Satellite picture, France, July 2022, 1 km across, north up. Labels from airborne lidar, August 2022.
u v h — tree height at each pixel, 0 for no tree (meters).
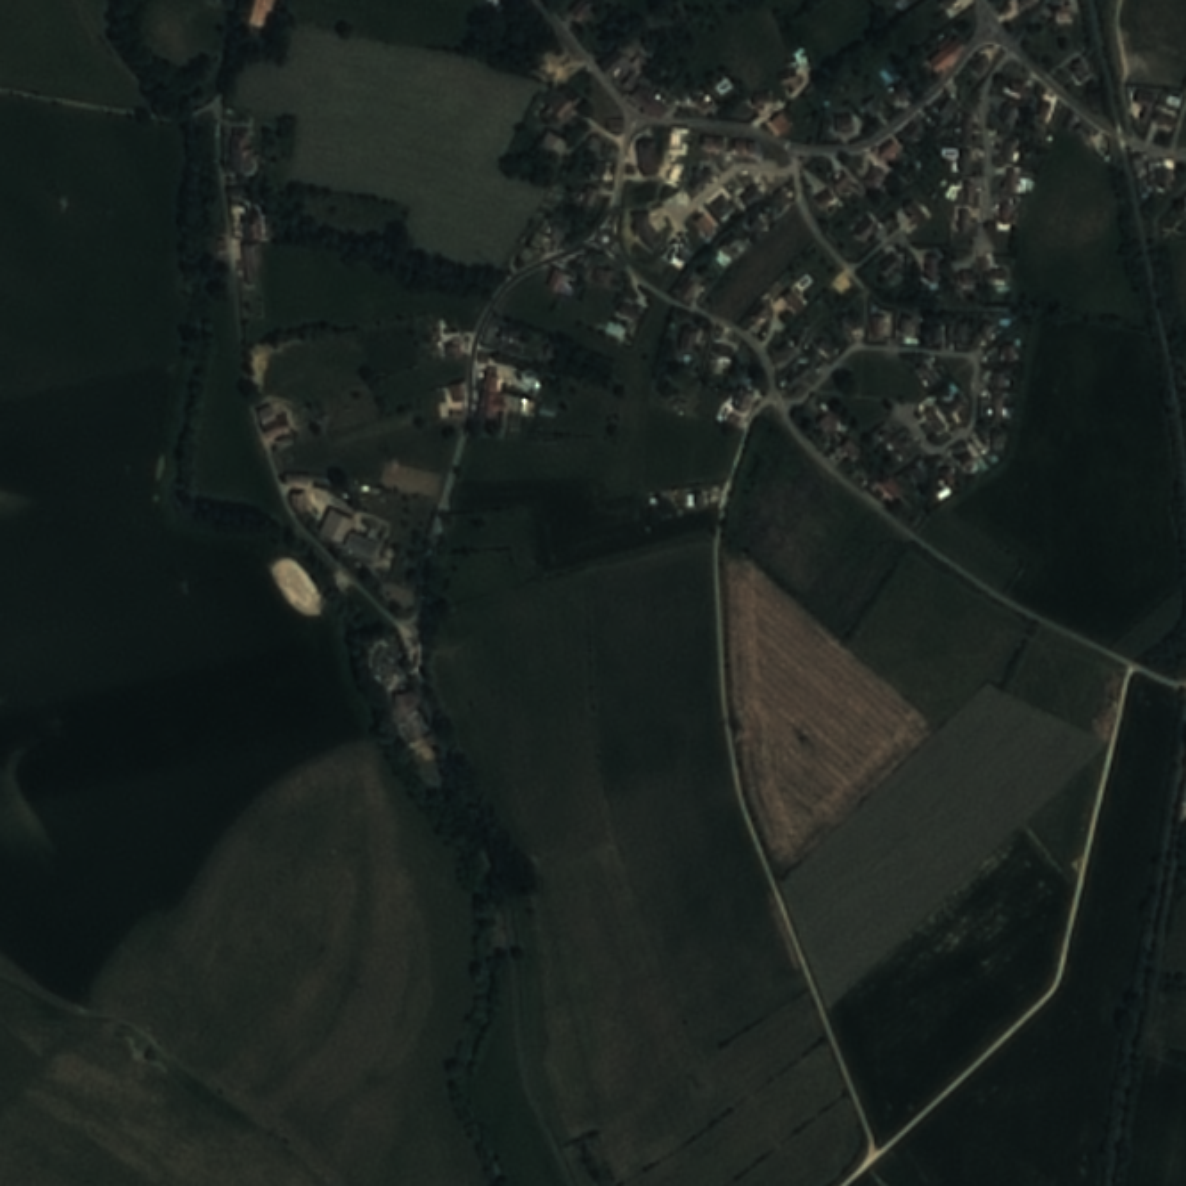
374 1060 0
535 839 0
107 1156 0
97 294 0
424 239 0
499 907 16
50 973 0
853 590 0
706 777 0
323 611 0
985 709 0
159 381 0
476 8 0
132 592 0
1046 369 0
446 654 0
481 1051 8
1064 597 0
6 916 0
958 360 0
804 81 0
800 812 0
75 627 0
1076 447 0
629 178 0
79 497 0
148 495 0
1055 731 0
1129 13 0
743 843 0
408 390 0
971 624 0
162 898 0
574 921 0
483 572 0
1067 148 0
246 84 0
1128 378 0
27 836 0
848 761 0
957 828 0
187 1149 0
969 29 10
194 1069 0
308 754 0
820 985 0
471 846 12
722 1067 0
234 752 0
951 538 0
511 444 0
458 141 0
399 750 17
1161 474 0
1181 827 6
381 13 0
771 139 0
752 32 0
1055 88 0
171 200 0
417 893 0
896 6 0
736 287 0
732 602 0
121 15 19
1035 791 0
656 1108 0
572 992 0
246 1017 0
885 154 0
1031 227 0
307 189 11
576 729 0
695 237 0
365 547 0
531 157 10
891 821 0
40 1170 0
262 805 0
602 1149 0
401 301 0
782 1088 0
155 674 0
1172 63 0
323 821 0
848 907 0
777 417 0
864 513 0
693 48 6
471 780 20
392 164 0
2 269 0
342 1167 0
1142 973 8
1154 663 6
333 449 0
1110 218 0
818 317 0
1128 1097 8
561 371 7
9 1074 0
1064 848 0
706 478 0
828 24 0
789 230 0
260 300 0
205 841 0
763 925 0
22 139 0
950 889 0
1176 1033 0
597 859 0
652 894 0
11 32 0
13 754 0
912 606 0
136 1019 0
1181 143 0
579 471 0
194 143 16
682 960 0
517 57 19
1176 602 0
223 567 0
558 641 0
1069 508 0
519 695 0
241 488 0
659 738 0
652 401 0
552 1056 0
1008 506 0
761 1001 0
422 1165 0
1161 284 6
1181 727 6
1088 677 0
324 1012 0
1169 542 0
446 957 0
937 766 0
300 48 0
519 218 0
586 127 9
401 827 0
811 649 0
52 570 0
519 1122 0
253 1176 0
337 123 0
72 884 0
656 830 0
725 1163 0
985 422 6
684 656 0
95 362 0
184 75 12
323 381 0
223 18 0
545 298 0
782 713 0
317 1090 0
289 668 0
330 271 0
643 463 0
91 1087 0
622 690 0
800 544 0
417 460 0
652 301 6
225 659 0
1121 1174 9
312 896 0
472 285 14
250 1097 0
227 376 0
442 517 10
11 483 0
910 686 0
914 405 0
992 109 0
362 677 21
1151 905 7
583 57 0
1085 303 0
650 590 0
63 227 0
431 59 0
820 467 0
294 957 0
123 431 0
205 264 20
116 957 0
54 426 0
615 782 0
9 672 0
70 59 0
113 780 0
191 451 13
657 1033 0
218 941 0
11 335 0
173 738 0
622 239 0
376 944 0
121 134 0
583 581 0
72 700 0
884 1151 0
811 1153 0
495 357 5
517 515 0
